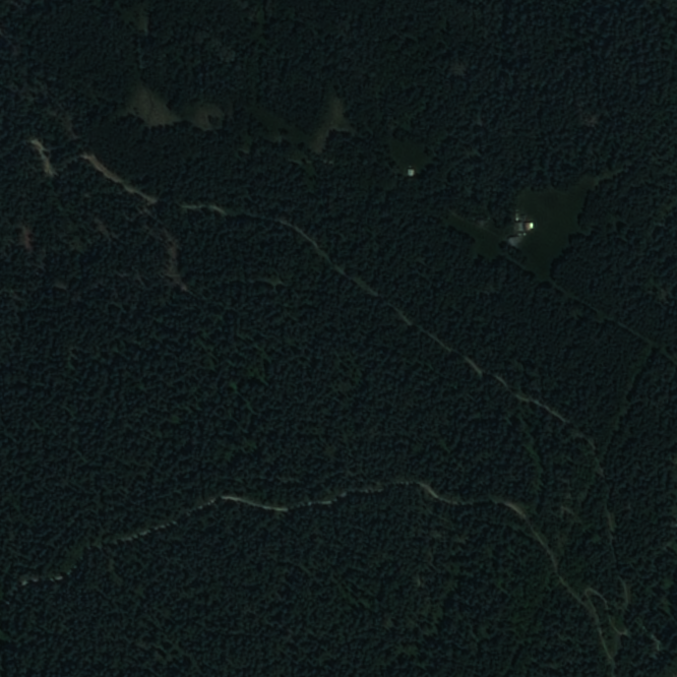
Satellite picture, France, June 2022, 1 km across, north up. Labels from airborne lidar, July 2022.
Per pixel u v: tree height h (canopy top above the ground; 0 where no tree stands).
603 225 23
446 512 12
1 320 19
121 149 25
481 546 32
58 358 21
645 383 20
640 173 30
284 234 27
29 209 18
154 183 26
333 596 27
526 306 24
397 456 22
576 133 22
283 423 26
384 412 19
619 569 14
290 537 25
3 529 22
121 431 25
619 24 33
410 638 22
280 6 12
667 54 29
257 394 20
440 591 23
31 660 28
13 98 26
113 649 22
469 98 23
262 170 19
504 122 27
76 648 21
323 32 21
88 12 19
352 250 12
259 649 19
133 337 35
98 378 29
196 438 28
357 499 23
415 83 10
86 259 25
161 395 25
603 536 29
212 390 36
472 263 23
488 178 26
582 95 35
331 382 23
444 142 19
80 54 26
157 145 21
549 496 24
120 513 27
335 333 22
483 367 25
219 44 24
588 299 21
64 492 20
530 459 31
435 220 18
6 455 26
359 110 24
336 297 30
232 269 21
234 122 10
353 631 28
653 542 14
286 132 17
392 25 24
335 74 18
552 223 0
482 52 29
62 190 30
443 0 25
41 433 26
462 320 27
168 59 26
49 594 26
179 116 17
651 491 31
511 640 19
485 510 19
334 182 27
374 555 26
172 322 33
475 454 26
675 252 26
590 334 23
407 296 23
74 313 25
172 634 31
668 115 12
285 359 29
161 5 17
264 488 26
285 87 16
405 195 9
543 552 15
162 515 16
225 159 21
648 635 8
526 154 25
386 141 18
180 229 16
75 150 25
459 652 33
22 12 17
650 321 31
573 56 35
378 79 27
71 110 24
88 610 22
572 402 12
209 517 18
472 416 28
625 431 22
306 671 27
